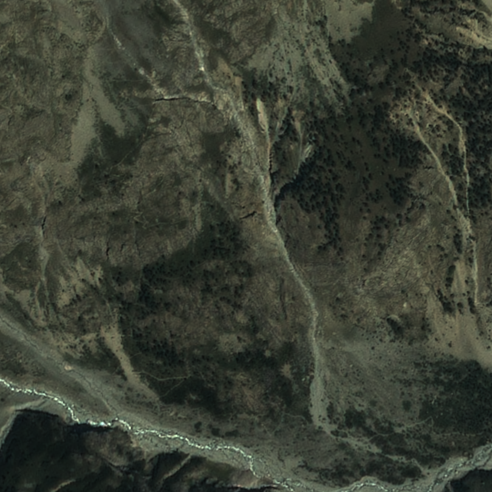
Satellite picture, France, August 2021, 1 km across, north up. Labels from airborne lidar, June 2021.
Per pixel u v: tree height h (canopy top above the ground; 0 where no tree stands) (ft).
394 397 0
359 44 0
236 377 0
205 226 0
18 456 18
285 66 0
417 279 0
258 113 0
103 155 0
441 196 0
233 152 0
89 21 0
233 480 0
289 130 35
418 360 0
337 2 0
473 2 20
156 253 0
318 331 0
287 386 38
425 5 37
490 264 0
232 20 0
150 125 0
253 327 23
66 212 0
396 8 0
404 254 0
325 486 0
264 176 0
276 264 0
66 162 0
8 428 0
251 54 0
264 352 24
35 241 0
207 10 0
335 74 0
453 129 25
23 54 0
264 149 0
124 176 0
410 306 0
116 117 0
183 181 0
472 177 63
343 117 20
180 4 0
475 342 0
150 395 0
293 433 0
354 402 0
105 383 0
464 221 0
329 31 0
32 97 0
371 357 0
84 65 0
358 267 0
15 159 0
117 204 0
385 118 29
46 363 0
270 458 0
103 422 0
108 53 0
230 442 0
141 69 0
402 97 22
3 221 0
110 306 0
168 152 0
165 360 57
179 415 0
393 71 28
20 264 0
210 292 48
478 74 75
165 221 0
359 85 57
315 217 0
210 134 0
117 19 0
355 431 0
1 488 21
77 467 0
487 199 52
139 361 0
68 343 0
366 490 0
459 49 21
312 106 40
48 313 0
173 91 0
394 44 0
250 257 0
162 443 0
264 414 0
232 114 0
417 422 0
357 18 0
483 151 57
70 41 0
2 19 0
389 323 53
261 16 0
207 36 0
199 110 0
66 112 0
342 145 18
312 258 0
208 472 0
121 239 0
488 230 0
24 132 0
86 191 0
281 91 0
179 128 0
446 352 0
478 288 0
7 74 0
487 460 0
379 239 30
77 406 0
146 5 0
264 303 0
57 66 0
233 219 0
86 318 0
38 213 0
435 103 31
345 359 0
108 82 0
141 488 0
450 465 0
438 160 0
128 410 0
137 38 0
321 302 0
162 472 0
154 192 0
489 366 0
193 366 39
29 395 0
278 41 0
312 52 0
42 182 0
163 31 0
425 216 0
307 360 0
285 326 0
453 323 0
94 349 0
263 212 0
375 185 0
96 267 0
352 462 0
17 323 0
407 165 47
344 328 0
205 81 0
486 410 21
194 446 0
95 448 0
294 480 0
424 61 32
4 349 0
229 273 33
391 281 0
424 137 0
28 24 0
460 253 63
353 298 0
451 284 33
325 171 65
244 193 0
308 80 0
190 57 0
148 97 0
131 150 0
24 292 0
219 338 0
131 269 0
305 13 0
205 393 20
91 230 0
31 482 0
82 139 0
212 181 0
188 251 0
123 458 0
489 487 0
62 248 0
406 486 0
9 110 0
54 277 0
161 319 0
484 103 53
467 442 0
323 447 0
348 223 0
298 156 0
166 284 58
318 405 0
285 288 0
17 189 0
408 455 26
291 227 0
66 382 0
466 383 19
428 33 28
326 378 0
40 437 18
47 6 0
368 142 0
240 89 0
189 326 0
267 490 0
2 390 0
